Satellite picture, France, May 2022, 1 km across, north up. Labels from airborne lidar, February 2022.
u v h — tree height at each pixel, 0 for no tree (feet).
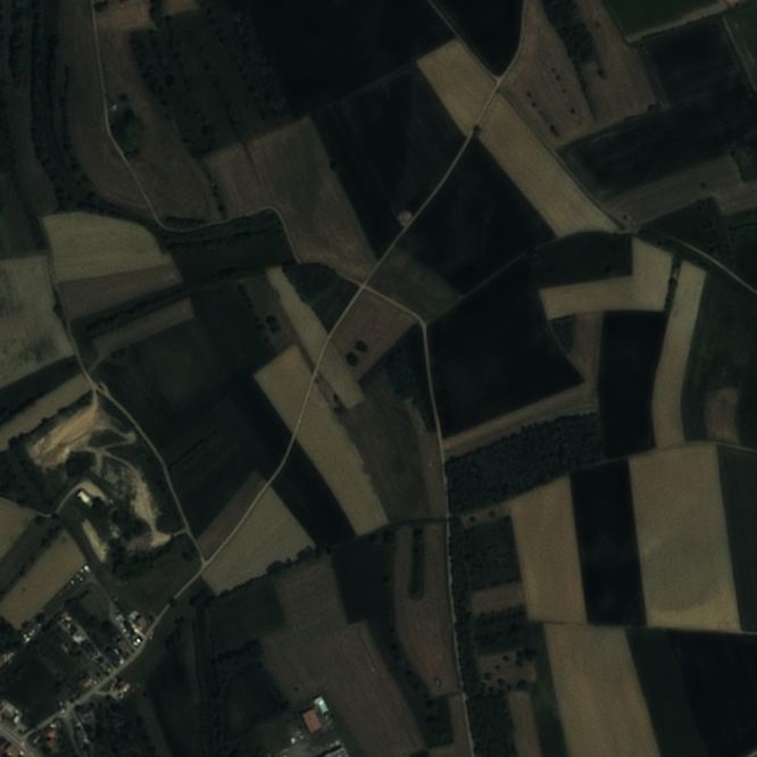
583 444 44
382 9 0
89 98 0
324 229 0
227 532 0
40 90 25
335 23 0
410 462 0
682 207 0
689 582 0
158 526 0
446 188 0
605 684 0
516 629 39
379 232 0
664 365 0
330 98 0
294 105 0
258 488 0
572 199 0
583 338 0
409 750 0
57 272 0
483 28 0
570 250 0
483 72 0
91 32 0
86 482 0
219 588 0
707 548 0
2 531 0
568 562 0
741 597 0
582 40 46
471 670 25
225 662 49
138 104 0
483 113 0
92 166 0
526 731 0
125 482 0
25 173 0
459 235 0
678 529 0
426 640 0
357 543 0
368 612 0
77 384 0
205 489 0
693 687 0
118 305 0
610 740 0
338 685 0
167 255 0
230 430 0
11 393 0
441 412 0
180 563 0
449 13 0
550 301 0
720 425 0
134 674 0
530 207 0
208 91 0
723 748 0
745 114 0
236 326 0
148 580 0
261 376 0
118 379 0
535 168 0
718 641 0
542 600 0
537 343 0
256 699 0
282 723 0
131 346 0
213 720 0
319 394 0
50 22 0
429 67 0
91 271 0
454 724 0
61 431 0
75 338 0
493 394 0
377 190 0
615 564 0
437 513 0
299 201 0
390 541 42
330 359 0
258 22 0
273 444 0
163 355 0
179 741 0
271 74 23
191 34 19
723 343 0
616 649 0
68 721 0
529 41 0
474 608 0
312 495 0
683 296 0
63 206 33
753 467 0
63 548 0
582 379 0
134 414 0
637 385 0
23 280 0
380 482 0
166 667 0
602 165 0
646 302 0
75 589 0
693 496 0
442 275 0
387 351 0
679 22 0
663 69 0
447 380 0
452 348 0
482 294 0
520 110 0
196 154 26
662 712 0
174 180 0
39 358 0
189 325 0
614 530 0
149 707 0
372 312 0
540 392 0
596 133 0
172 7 0
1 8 23
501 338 0
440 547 0
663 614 0
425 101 0
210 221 0
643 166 0
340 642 0
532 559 0
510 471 59
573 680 0
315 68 0
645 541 0
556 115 0
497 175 0
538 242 0
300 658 0
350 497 0
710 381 0
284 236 21
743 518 0
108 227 0
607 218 0
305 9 0
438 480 0
